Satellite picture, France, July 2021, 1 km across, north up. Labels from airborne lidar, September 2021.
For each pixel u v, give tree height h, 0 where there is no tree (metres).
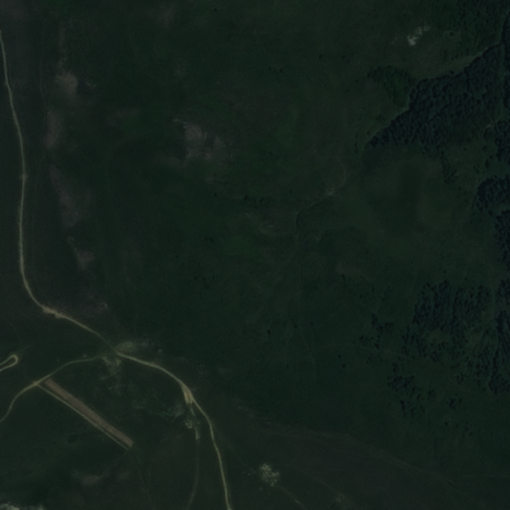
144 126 0
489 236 0
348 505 0
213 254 0
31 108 0
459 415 0
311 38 0
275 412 0
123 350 0
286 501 0
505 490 0
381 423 0
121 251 0
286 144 0
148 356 0
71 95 0
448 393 0
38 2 0
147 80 0
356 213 0
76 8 0
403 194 0
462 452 0
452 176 12
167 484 0
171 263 0
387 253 0
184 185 0
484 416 0
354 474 0
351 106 0
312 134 0
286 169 0
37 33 0
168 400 0
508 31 21
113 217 0
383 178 0
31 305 0
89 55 0
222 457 0
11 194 0
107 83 0
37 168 0
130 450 0
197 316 0
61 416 0
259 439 0
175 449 0
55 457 0
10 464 0
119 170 0
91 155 0
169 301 0
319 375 0
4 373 0
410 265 0
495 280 0
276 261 0
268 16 0
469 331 6
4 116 0
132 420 0
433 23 8
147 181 0
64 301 0
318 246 0
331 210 0
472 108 14
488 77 19
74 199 0
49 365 0
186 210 0
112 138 0
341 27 0
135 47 0
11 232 0
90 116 0
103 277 0
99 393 0
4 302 0
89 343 0
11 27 0
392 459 0
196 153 0
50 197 0
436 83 20
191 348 0
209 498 0
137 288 0
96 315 0
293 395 0
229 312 0
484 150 7
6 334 0
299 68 0
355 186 0
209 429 0
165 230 0
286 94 0
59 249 0
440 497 0
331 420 0
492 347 9
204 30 0
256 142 0
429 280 0
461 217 0
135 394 0
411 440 0
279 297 0
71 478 0
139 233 0
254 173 0
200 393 0
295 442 0
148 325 0
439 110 21
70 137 0
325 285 0
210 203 0
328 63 0
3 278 0
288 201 0
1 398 0
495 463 0
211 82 0
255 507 0
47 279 0
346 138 0
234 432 0
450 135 15
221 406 0
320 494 0
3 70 0
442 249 0
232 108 0
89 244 0
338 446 0
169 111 0
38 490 0
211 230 0
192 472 0
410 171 0
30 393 0
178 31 0
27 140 0
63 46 0
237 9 0
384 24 0
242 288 0
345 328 0
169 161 0
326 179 0
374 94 0
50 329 0
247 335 0
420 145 9
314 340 0
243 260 0
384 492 0
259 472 0
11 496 0
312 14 0
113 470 0
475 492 0
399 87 28
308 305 0
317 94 0
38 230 0
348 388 0
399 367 18
